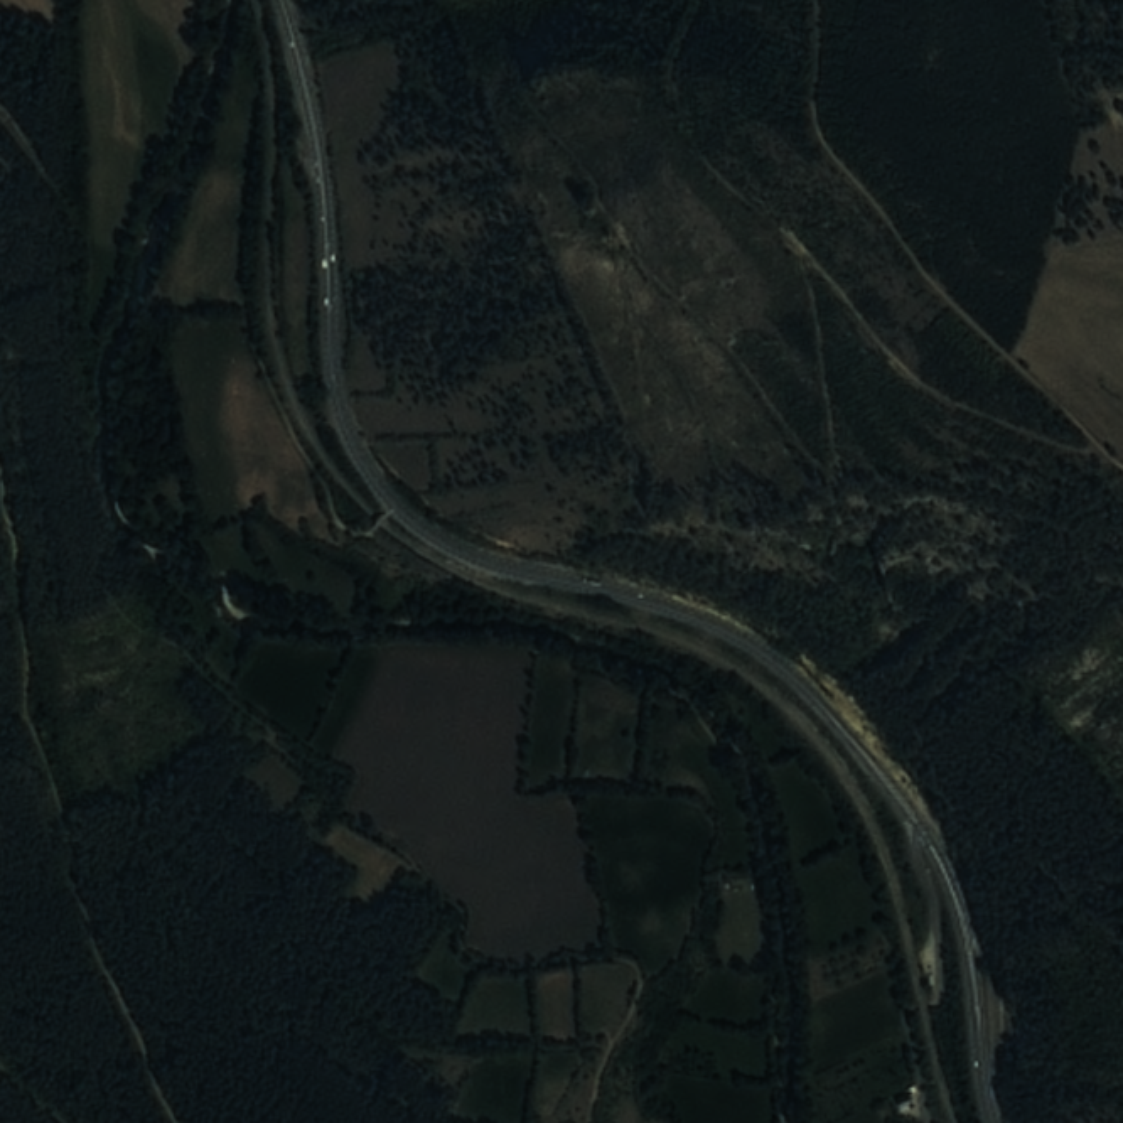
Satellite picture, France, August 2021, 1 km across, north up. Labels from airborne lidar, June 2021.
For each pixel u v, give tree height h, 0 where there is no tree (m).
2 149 17
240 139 0
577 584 0
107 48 0
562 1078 0
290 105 12
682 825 0
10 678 23
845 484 17
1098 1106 7
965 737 26
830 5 7
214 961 24
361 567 9
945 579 17
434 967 0
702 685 14
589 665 10
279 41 9
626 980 0
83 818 25
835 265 7
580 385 7
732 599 7
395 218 0
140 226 9
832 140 6
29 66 7
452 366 18
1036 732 22
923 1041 12
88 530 23
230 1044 31
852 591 22
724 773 28
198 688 16
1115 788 21
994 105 6
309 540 8
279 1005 22
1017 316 8
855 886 0
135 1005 26
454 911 12
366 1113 21
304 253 0
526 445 13
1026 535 21
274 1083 28
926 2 7
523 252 10
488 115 20
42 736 12
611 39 15
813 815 0
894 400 6
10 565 7
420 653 0
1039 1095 17
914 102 10
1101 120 10
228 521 10
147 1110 26
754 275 0
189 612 18
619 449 7
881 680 24
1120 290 0
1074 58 13
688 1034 0
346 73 0
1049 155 9
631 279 0
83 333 19
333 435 8
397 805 0
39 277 18
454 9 7
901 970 12
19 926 28
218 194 0
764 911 10
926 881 0
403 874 12
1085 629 22
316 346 6
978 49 9
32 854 30
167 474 10
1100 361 0
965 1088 8
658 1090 12
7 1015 27
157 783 20
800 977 26
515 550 6
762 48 8
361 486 10
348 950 21
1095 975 7
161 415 17
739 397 0
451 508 0
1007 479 15
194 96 23
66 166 20
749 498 20
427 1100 20
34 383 23
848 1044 0
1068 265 0
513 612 16
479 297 14
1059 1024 28
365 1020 7
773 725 9
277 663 0
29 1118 29
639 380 0
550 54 8
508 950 0
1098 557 17
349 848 0
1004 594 12
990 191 7
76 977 29
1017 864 26
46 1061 28
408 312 5
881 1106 8
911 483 19
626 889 0
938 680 22
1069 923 5
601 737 0
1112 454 7
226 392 0
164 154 22
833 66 7
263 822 15
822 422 7
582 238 0
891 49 6
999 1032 0
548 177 0
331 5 17
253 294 9
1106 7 15
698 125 8
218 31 17
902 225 7
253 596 27
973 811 26
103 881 29
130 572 29
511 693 0
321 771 8
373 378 0
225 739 19
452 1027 9
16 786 25
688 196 0
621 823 0
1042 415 13
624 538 18
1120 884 7
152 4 0
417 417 0
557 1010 0
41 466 26
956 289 6
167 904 25
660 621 5
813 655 23
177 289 0
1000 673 25
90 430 6
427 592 9
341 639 15
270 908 20
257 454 0
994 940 26
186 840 14
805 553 10
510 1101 0
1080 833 28
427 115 11
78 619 21
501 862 0
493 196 9
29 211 15
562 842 0
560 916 0
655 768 5
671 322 0
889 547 11
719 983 0
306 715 0
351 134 0
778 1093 9
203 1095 28
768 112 7
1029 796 24
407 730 0
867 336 0
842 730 0
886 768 0
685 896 0
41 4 0
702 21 7
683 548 23
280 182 11
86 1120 28
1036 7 8
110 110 0
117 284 11
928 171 8
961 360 6
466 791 0
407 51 6
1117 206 9
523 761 9
